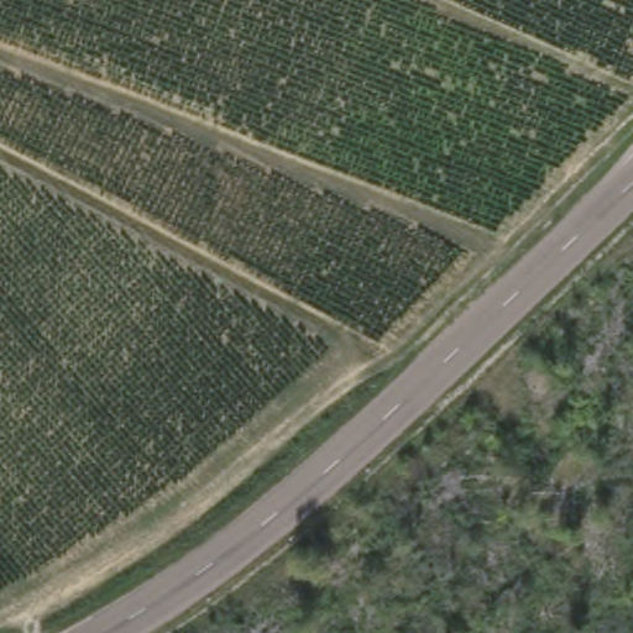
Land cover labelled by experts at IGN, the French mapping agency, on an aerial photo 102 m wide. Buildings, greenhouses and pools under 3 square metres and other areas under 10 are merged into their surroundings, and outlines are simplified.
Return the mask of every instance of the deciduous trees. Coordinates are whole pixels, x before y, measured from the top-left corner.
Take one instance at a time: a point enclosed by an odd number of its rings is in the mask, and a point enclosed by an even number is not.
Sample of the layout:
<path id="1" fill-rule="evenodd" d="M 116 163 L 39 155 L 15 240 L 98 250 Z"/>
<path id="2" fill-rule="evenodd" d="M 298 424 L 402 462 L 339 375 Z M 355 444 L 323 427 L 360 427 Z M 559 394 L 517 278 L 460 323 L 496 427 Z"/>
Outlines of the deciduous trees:
<path id="1" fill-rule="evenodd" d="M 240 569 L 215 591 L 205 593 L 200 601 L 188 606 L 183 613 L 178 613 L 173 621 L 163 623 L 153 633 L 633 633 L 633 210 L 561 282 L 556 282 L 522 321 L 517 321 L 522 341 L 512 351 L 507 351 L 495 366 L 490 366 L 467 396 L 450 403 L 443 413 L 430 406 L 403 430 L 401 438 L 396 438 L 371 462 L 366 462 L 363 470 L 329 502 L 307 502 L 304 507 L 299 507 L 297 527 L 292 534 L 274 542 L 245 569 Z"/>

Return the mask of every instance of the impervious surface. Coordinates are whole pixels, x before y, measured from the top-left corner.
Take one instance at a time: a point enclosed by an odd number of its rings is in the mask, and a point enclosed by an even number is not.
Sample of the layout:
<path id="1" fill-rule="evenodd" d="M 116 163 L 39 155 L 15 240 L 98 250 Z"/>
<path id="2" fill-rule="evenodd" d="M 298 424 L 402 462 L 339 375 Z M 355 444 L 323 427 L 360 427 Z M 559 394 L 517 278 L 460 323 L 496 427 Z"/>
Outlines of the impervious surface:
<path id="1" fill-rule="evenodd" d="M 418 359 L 398 378 L 393 378 L 376 396 L 326 443 L 321 443 L 304 462 L 299 462 L 284 480 L 270 487 L 260 499 L 255 499 L 227 527 L 215 532 L 205 544 L 195 546 L 181 561 L 158 571 L 153 579 L 143 581 L 141 586 L 131 588 L 129 593 L 119 596 L 116 601 L 101 606 L 99 611 L 57 633 L 153 633 L 163 623 L 173 621 L 178 613 L 183 613 L 188 606 L 200 601 L 205 593 L 215 591 L 240 569 L 245 569 L 274 542 L 292 534 L 297 527 L 299 507 L 304 507 L 307 502 L 329 502 L 363 470 L 366 462 L 371 462 L 396 438 L 401 438 L 403 430 L 430 406 L 443 413 L 450 403 L 467 396 L 490 366 L 495 366 L 507 351 L 512 351 L 522 341 L 517 321 L 522 321 L 556 282 L 561 282 L 633 210 L 633 156 L 626 151 L 618 158 L 618 163 L 566 213 L 566 218 L 554 227 L 554 232 L 539 240 L 499 282 L 495 282 L 477 302 L 472 302 L 423 354 L 418 354 Z"/>

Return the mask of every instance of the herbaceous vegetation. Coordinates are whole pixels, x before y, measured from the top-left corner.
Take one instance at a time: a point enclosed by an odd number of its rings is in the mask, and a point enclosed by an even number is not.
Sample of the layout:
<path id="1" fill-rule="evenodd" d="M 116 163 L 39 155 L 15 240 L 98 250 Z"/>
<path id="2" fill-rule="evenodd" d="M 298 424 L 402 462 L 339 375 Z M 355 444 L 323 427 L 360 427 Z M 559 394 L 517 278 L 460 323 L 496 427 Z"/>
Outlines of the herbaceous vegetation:
<path id="1" fill-rule="evenodd" d="M 529 200 L 524 200 L 522 210 L 504 218 L 497 230 L 445 213 L 440 208 L 430 208 L 418 198 L 401 195 L 391 188 L 321 166 L 312 158 L 260 141 L 252 134 L 242 134 L 232 126 L 225 126 L 225 116 L 213 116 L 213 109 L 205 104 L 183 99 L 173 91 L 161 91 L 158 84 L 138 84 L 136 74 L 131 74 L 121 64 L 109 62 L 109 54 L 84 54 L 72 64 L 67 62 L 67 54 L 49 52 L 42 45 L 37 30 L 17 27 L 17 32 L 10 40 L 0 37 L 0 69 L 7 69 L 15 77 L 32 77 L 37 82 L 62 89 L 64 94 L 79 94 L 84 99 L 104 104 L 106 109 L 111 109 L 111 114 L 131 114 L 146 124 L 153 124 L 163 134 L 183 131 L 188 136 L 195 136 L 200 143 L 210 143 L 220 153 L 245 158 L 260 166 L 262 171 L 287 171 L 297 181 L 309 185 L 314 193 L 334 188 L 349 195 L 349 200 L 354 200 L 363 210 L 383 210 L 403 220 L 408 227 L 430 225 L 445 232 L 462 250 L 452 267 L 410 307 L 410 312 L 393 321 L 393 326 L 381 339 L 373 339 L 361 326 L 351 326 L 317 309 L 302 297 L 284 292 L 272 279 L 247 270 L 242 262 L 218 255 L 205 242 L 188 240 L 185 235 L 146 215 L 131 203 L 111 193 L 104 193 L 96 185 L 74 178 L 54 168 L 52 163 L 35 158 L 32 153 L 20 151 L 17 146 L 0 138 L 0 168 L 7 176 L 17 176 L 20 181 L 35 188 L 47 188 L 52 195 L 64 198 L 69 208 L 79 208 L 87 215 L 96 215 L 116 232 L 129 232 L 134 242 L 146 242 L 151 270 L 156 267 L 158 257 L 168 257 L 188 272 L 208 274 L 215 282 L 215 299 L 230 299 L 232 292 L 237 292 L 265 309 L 267 302 L 260 299 L 260 292 L 265 289 L 277 299 L 307 312 L 309 317 L 321 319 L 326 326 L 339 331 L 339 339 L 329 346 L 329 354 L 324 359 L 314 361 L 284 393 L 279 393 L 252 420 L 237 428 L 232 438 L 220 443 L 183 480 L 171 482 L 166 490 L 156 492 L 134 512 L 119 514 L 116 522 L 111 522 L 99 534 L 87 534 L 62 556 L 47 561 L 25 579 L 17 579 L 0 588 L 0 633 L 42 633 L 42 618 L 47 613 L 52 613 L 59 606 L 67 606 L 79 593 L 99 586 L 111 574 L 126 569 L 129 564 L 138 561 L 178 532 L 183 532 L 190 522 L 203 517 L 213 504 L 218 504 L 227 492 L 232 492 L 240 482 L 245 482 L 274 450 L 292 440 L 307 423 L 319 418 L 339 398 L 344 398 L 354 386 L 363 381 L 376 396 L 393 378 L 398 378 L 418 359 L 418 354 L 423 354 L 472 302 L 477 302 L 495 282 L 499 282 L 539 240 L 554 232 L 554 227 L 566 218 L 566 213 L 618 163 L 618 158 L 626 151 L 633 156 L 633 77 L 621 77 L 613 72 L 613 67 L 601 67 L 586 52 L 556 47 L 532 32 L 524 32 L 522 27 L 495 20 L 487 12 L 480 12 L 457 0 L 423 0 L 435 5 L 438 12 L 445 12 L 452 20 L 462 20 L 475 27 L 497 32 L 509 42 L 527 45 L 559 59 L 566 67 L 566 74 L 581 74 L 586 79 L 606 84 L 611 94 L 626 94 L 626 101 L 611 116 L 606 116 L 596 131 L 586 131 L 586 141 L 574 151 L 574 156 L 566 158 L 564 166 L 546 171 L 544 185 Z"/>

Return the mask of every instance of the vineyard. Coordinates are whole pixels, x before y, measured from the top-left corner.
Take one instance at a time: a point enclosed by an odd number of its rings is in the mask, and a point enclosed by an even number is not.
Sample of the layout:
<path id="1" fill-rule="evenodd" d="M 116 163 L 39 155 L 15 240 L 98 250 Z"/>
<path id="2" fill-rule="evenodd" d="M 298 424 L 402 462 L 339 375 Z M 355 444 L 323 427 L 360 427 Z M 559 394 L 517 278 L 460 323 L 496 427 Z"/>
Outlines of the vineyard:
<path id="1" fill-rule="evenodd" d="M 556 47 L 586 52 L 601 67 L 613 67 L 613 72 L 621 77 L 633 77 L 633 0 L 457 0 L 480 12 L 487 12 L 495 20 L 522 27 L 524 32 L 532 32 Z"/>
<path id="2" fill-rule="evenodd" d="M 185 235 L 188 240 L 205 242 L 218 255 L 242 262 L 247 270 L 272 279 L 284 292 L 302 297 L 317 309 L 351 326 L 361 326 L 373 339 L 381 339 L 393 326 L 393 321 L 410 312 L 410 307 L 452 267 L 462 250 L 445 232 L 430 225 L 408 227 L 403 220 L 383 210 L 363 210 L 354 200 L 349 200 L 349 195 L 334 188 L 314 193 L 309 185 L 297 181 L 287 171 L 262 171 L 260 166 L 245 158 L 220 153 L 210 143 L 200 143 L 195 136 L 188 136 L 183 131 L 163 134 L 153 124 L 146 124 L 131 114 L 111 114 L 111 109 L 106 109 L 104 104 L 84 99 L 79 94 L 64 94 L 62 89 L 37 82 L 32 77 L 15 77 L 7 69 L 0 69 L 0 138 L 17 146 L 20 151 L 32 153 L 35 158 L 52 163 L 54 168 L 74 178 L 96 185 L 104 193 L 111 193 L 131 203 L 146 215 Z"/>
<path id="3" fill-rule="evenodd" d="M 339 339 L 339 331 L 326 326 L 321 319 L 309 317 L 307 312 L 277 299 L 265 289 L 260 292 L 260 299 L 267 302 L 265 309 L 237 292 L 232 292 L 230 299 L 215 299 L 215 282 L 208 274 L 188 272 L 168 257 L 158 257 L 156 267 L 151 270 L 146 242 L 134 242 L 129 232 L 116 232 L 96 215 L 87 215 L 79 208 L 69 208 L 64 198 L 52 195 L 47 188 L 35 188 L 20 181 L 17 176 L 7 176 L 0 168 L 0 588 L 17 579 L 25 579 L 47 561 L 62 556 L 87 534 L 99 534 L 111 522 L 116 522 L 119 514 L 134 512 L 156 492 L 166 490 L 171 482 L 183 480 L 220 443 L 232 438 L 237 428 L 252 420 L 279 393 L 284 393 L 314 361 L 324 359 L 329 354 L 329 346 Z"/>
<path id="4" fill-rule="evenodd" d="M 606 84 L 586 79 L 581 74 L 566 74 L 566 67 L 559 59 L 527 45 L 509 42 L 497 32 L 475 27 L 462 20 L 452 20 L 445 12 L 438 12 L 435 5 L 423 0 L 0 0 L 0 37 L 10 40 L 17 32 L 17 27 L 37 30 L 42 45 L 49 52 L 67 54 L 67 62 L 72 64 L 84 54 L 109 54 L 109 62 L 121 64 L 131 74 L 136 74 L 138 84 L 158 84 L 161 91 L 173 91 L 183 99 L 205 104 L 213 109 L 213 116 L 225 116 L 225 126 L 232 126 L 242 134 L 252 134 L 260 141 L 312 158 L 321 166 L 391 188 L 401 195 L 418 198 L 430 208 L 440 208 L 445 213 L 497 230 L 504 218 L 522 210 L 524 200 L 529 200 L 544 185 L 546 171 L 564 166 L 566 158 L 574 156 L 574 151 L 586 141 L 586 131 L 596 131 L 606 116 L 611 116 L 626 101 L 626 94 L 611 94 Z"/>

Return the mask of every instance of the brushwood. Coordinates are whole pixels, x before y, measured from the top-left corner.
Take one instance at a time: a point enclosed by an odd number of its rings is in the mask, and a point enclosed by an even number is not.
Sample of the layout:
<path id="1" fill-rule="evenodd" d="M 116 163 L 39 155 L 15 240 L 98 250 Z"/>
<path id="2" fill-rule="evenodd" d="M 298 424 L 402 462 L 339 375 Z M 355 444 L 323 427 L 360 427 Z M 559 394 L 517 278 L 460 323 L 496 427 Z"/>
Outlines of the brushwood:
<path id="1" fill-rule="evenodd" d="M 143 581 L 153 579 L 158 571 L 181 561 L 195 546 L 205 544 L 215 532 L 227 527 L 255 499 L 260 499 L 270 487 L 284 480 L 299 462 L 304 462 L 321 443 L 326 443 L 376 396 L 363 381 L 354 386 L 344 398 L 339 398 L 319 418 L 307 423 L 292 440 L 274 450 L 245 482 L 240 482 L 232 492 L 227 492 L 218 504 L 213 504 L 203 517 L 190 522 L 183 532 L 178 532 L 138 561 L 129 564 L 126 569 L 111 574 L 99 586 L 79 593 L 67 606 L 59 606 L 52 613 L 47 613 L 42 618 L 42 633 L 57 633 L 99 611 L 101 606 L 116 601 L 119 596 L 129 593 L 131 588 L 141 586 Z"/>

